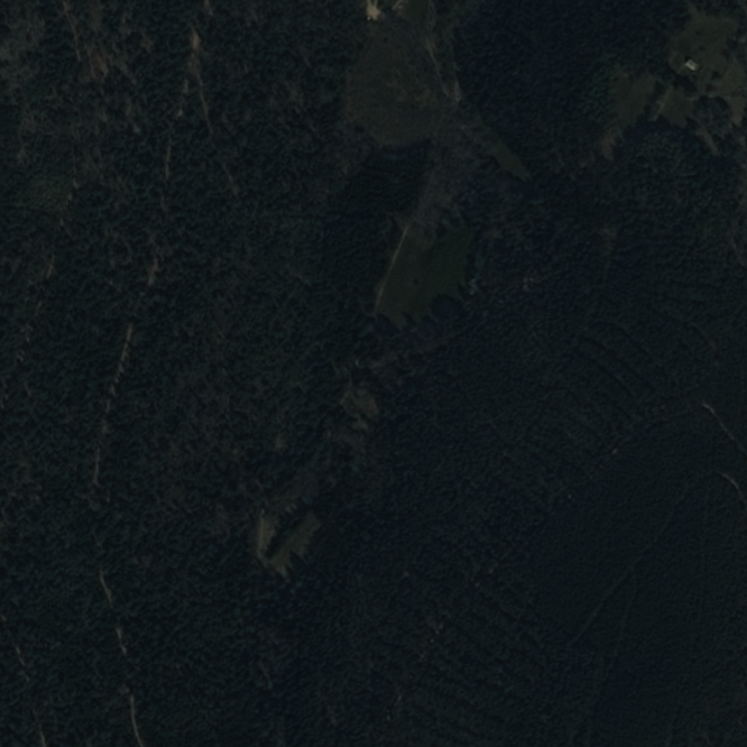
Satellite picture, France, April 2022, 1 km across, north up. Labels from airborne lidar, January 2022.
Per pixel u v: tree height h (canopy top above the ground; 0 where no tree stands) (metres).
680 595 17
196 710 26
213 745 16
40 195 17
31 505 34
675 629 11
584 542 16
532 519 15
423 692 17
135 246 11
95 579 10
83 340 9
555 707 17
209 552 24
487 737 14
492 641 17
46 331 11
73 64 14
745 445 18
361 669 17
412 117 8
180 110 12
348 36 24
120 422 20
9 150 7
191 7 29
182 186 13
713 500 18
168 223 26
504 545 20
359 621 19
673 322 16
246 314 7
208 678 12
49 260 12
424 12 0
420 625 18
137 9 9
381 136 6
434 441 22
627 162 19
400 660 19
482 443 15
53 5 10
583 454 14
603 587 16
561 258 18
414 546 18
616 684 10
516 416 16
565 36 27
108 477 15
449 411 18
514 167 0
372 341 21
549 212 25
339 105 22
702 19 0
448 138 20
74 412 31
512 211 28
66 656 10
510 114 21
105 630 8
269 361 7
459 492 20
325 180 25
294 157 9
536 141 21
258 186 9
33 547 34
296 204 20
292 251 22
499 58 24
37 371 12
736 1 13
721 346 15
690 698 18
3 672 21
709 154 27
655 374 16
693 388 13
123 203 15
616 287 17
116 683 13
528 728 15
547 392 16
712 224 21
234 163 7
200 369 32
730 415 16
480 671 19
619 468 15
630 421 12
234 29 16
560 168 20
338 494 13
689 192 19
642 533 19
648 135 24
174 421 9
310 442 26
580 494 16
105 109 20
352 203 21
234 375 6
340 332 31
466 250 0
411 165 26
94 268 28
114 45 14
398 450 21
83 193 15
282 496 18
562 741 14
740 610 20
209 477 9
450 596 21
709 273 17
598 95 22
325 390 24
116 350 35
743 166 10
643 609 8
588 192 20
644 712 16
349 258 30
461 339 22
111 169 34
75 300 18
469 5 20
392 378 12
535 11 27
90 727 8
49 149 14
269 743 20
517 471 15
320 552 14
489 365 22
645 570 14
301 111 17
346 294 31
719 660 19
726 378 16
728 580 17
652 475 17
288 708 29
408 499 19
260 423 25
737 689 18
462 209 9
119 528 27
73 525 8
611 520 16
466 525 18
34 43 12
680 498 16
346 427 10
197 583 29
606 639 11
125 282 13
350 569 24
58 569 32
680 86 17
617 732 14
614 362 18
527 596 18
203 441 29
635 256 20
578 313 19
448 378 21
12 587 26
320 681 22
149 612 17
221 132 13
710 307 15
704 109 16
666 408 15
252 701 18
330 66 28
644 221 23
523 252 18
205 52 7
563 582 17
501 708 17
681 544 12
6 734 16
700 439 17
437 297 0
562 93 25
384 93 8
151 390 27
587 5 23
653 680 13
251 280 6
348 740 18
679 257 21
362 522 20
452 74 19
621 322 16
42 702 26
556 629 18
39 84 11
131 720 13
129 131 10
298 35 22
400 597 16
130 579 14
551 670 18
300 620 25
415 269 0
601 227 21
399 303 0
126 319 11
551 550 17
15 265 26
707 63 0
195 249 14
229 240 12
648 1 21
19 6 10
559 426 14
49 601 7
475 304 16
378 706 18
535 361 17
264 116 31
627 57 27
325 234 18
